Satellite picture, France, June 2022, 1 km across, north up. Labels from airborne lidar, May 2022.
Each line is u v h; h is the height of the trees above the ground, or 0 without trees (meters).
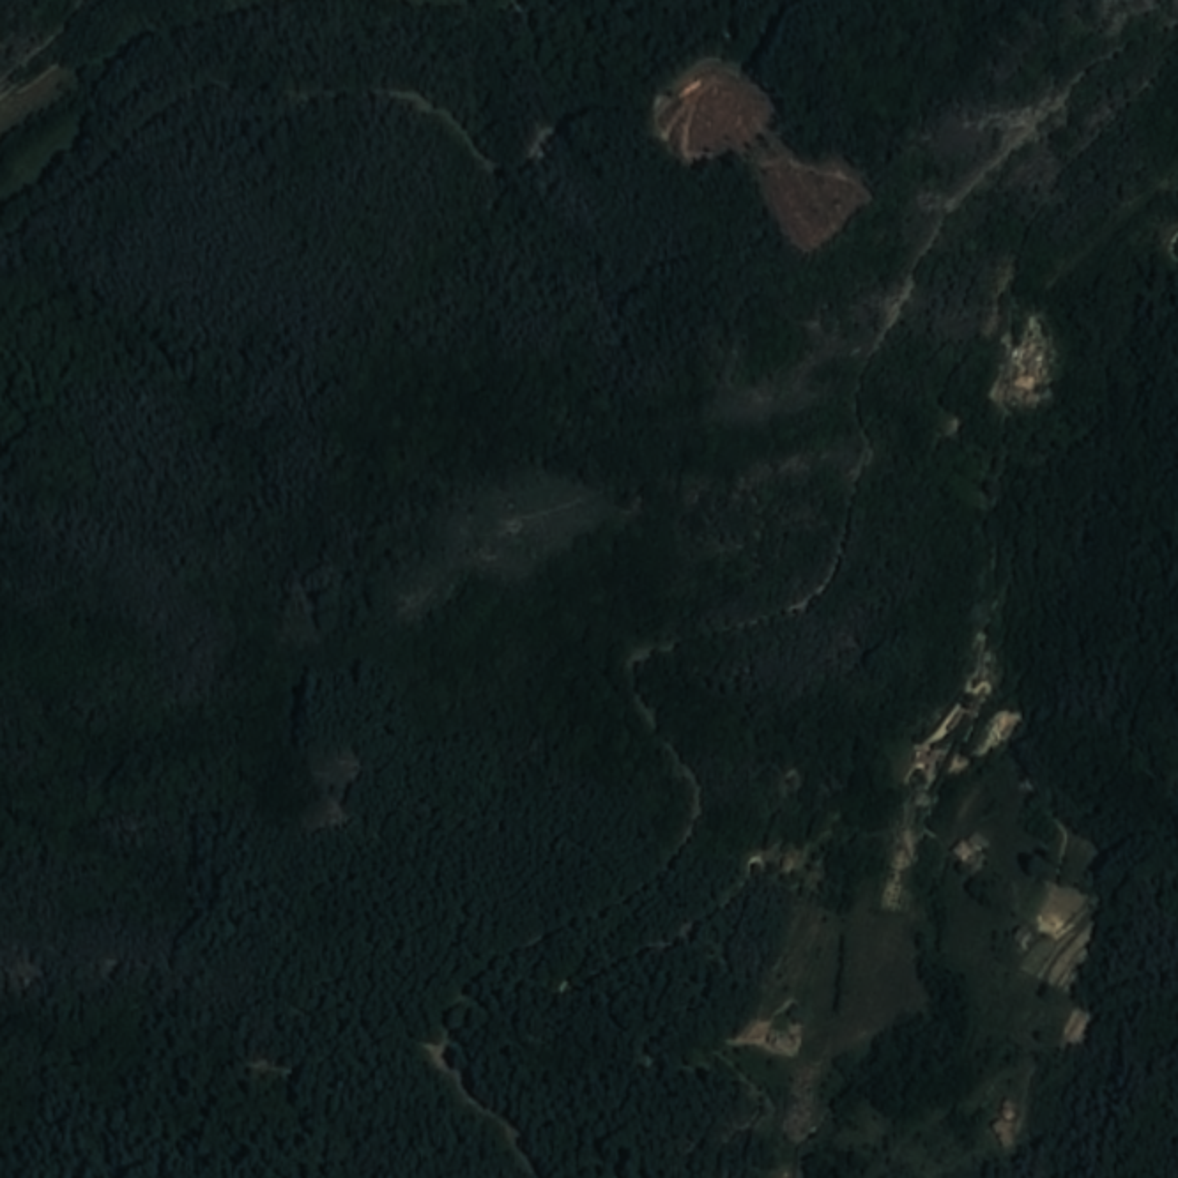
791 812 11
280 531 19
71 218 25
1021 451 18
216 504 12
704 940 32
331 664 13
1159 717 13
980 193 8
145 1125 26
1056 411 10
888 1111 21
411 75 20
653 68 15
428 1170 34
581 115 19
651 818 16
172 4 26
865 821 13
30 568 15
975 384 17
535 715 19
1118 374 22
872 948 0
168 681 11
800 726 20
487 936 31
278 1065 8
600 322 19
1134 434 21
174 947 16
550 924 24
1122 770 9
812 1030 0
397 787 23
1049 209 12
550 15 16
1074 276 14
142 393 26
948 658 12
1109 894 15
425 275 14
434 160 19
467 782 27
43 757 21
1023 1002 0
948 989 18
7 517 14
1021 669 15
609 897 34
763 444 13
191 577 16
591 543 13
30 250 19
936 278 17
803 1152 0
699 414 9
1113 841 19
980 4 13
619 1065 33
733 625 18
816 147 18
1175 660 12
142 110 20
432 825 21
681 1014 34
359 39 10
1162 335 18
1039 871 32
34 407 18
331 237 22
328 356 25
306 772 7
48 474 23
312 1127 31
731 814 17
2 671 18
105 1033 25
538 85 24
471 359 19
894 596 24
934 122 10
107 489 21
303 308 17
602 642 13
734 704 21
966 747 14
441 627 15
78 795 11
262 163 21
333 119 14
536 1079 31
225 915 38
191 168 18
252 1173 30
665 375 23
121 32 23
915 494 25
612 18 32
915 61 17
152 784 19
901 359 13
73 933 22
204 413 26
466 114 23
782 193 0
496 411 17
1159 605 15
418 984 35
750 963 22
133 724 17
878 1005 0
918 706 11
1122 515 22
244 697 19
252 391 26
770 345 12
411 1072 36
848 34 33
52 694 16
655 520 10
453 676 16
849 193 21
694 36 21
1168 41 11
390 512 10
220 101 16
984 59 13
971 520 17
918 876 6
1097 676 17
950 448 18
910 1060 18
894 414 12
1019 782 0
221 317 17
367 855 21
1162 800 11
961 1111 7
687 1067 12
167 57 34
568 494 0
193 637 12
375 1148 31
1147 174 17
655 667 21
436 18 19
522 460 8
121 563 16
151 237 16
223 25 17
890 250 11
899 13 20
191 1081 17
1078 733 13
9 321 18
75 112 15
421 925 37
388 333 13
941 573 14
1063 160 11
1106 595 17
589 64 19
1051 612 25
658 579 10
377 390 16
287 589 17
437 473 6
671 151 36
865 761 23
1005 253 17
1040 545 17
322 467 18
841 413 16
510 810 23
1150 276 6
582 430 8
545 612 14
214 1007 16
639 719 17
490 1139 25
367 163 21
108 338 20
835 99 17
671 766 16
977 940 0
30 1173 40
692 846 13
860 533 19
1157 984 25
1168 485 7
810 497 7
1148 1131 21
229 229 14
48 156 0
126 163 20
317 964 29
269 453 21
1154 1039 25
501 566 0
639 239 16
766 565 13
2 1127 25
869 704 15
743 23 16
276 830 15
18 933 18
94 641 17
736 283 15
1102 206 24
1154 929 23
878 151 10
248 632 11
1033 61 9
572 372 23
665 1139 29
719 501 6
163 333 22
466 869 28
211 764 20
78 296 27
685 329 14
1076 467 23
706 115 0
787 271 12
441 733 17
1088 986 14
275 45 22
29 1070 24
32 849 20
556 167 17
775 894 22
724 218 20
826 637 15
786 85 36
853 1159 16
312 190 19
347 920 24
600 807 34
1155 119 16
